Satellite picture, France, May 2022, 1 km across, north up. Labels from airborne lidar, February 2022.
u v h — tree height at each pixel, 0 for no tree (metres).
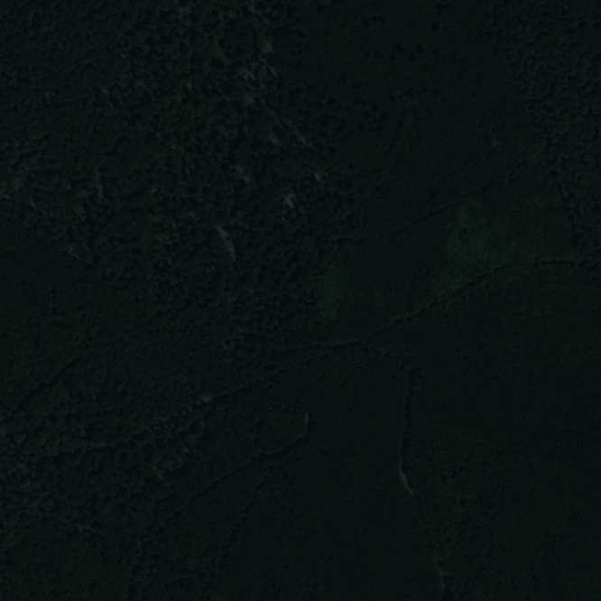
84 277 21
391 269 21
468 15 15
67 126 28
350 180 10
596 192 32
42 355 23
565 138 33
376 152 14
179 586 29
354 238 17
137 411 33
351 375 21
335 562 18
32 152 21
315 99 14
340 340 20
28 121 28
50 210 26
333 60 15
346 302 20
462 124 21
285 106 29
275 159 26
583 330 19
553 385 20
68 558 22
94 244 26
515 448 22
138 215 35
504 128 20
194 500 25
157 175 30
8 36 30
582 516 25
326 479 18
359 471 19
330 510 18
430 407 19
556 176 31
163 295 32
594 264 28
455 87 17
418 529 20
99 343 20
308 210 26
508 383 20
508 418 20
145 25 26
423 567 18
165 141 34
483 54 20
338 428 19
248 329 23
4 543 25
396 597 16
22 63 27
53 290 20
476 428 21
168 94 30
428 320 20
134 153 32
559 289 19
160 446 33
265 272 31
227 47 30
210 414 31
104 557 27
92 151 30
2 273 19
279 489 18
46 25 33
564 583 24
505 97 20
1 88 26
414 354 21
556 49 31
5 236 19
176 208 33
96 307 19
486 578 27
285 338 23
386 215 16
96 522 30
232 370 22
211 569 21
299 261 31
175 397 24
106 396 33
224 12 36
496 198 20
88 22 31
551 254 18
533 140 20
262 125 30
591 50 20
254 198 32
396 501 19
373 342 21
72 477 30
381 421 18
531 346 19
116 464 36
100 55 34
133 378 24
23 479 26
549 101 31
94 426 27
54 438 30
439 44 18
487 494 22
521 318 17
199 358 23
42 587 28
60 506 33
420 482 22
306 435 14
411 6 14
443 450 22
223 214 30
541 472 25
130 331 17
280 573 17
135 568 22
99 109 32
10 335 22
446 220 19
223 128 33
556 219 18
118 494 28
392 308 22
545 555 22
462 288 19
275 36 30
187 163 34
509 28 30
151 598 33
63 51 28
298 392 20
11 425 24
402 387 19
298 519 20
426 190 18
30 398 33
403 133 19
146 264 8
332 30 15
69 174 27
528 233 22
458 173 17
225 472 22
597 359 17
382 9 14
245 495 24
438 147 17
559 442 26
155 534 19
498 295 20
